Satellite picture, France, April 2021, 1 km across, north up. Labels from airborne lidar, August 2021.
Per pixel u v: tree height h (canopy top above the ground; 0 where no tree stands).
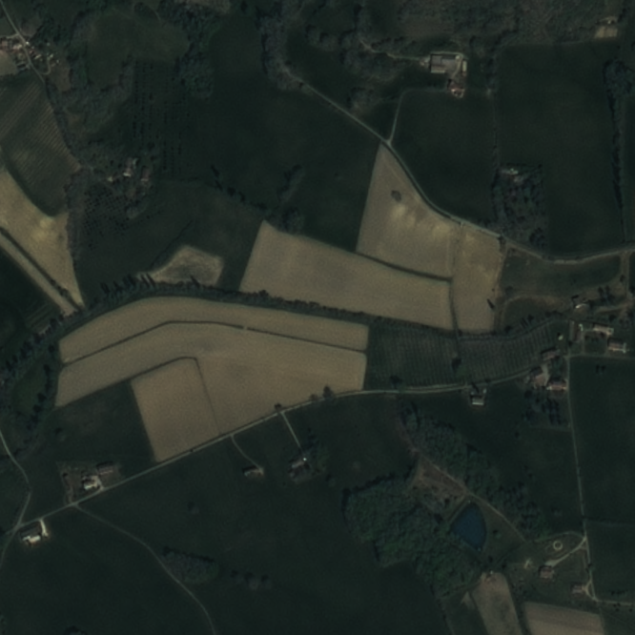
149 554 0
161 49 0
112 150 12
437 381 16
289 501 0
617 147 10
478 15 20
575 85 0
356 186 0
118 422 0
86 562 0
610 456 0
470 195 0
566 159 0
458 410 0
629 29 0
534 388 8
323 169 0
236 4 31
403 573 0
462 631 0
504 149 0
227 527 0
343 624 0
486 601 0
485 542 0
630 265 0
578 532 0
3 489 0
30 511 0
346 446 0
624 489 0
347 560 0
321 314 11
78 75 16
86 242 0
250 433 0
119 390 0
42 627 0
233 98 0
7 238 0
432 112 0
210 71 21
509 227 19
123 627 0
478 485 18
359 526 22
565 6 8
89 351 0
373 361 12
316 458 18
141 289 11
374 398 0
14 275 0
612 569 0
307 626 0
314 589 0
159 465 0
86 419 0
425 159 0
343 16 0
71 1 0
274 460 0
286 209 0
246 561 0
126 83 19
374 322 12
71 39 6
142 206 15
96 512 0
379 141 0
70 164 0
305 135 0
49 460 0
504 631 0
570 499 0
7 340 0
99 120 11
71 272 0
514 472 0
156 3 0
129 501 0
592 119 0
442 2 12
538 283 0
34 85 0
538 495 0
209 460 0
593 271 0
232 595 0
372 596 0
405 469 0
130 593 0
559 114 0
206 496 0
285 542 0
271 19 19
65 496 0
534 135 0
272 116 0
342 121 0
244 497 0
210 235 0
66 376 0
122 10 0
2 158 0
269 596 0
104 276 0
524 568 0
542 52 0
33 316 0
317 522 0
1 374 14
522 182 11
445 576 17
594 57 0
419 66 0
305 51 0
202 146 0
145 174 0
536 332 23
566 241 0
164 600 0
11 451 0
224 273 0
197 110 0
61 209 0
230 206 0
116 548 0
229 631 0
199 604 0
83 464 0
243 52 0
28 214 0
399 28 0
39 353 15
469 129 0
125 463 0
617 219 0
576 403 0
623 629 0
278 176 0
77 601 0
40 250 0
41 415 22
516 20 7
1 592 0
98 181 14
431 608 0
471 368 21
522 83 0
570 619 0
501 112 0
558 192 0
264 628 0
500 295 0
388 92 0
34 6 10
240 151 0
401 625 0
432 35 0
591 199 0
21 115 0
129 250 0
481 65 0
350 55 19
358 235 0
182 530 0
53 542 0
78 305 0
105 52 0
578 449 0
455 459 17
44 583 0
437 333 15
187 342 0
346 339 0
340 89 0
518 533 0
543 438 0
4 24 0
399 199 9
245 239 0
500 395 0
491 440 0
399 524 18
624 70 16
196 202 0
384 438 0
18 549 0
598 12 14
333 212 0
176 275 0
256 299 14
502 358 23
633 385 0
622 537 0
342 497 0
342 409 0
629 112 0
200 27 34
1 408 22
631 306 0
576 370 0
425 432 20
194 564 17
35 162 0
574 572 0
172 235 0
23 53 8
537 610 0
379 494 16
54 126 0
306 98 0
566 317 13
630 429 0
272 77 19
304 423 0
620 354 0
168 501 0
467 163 0
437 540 24
